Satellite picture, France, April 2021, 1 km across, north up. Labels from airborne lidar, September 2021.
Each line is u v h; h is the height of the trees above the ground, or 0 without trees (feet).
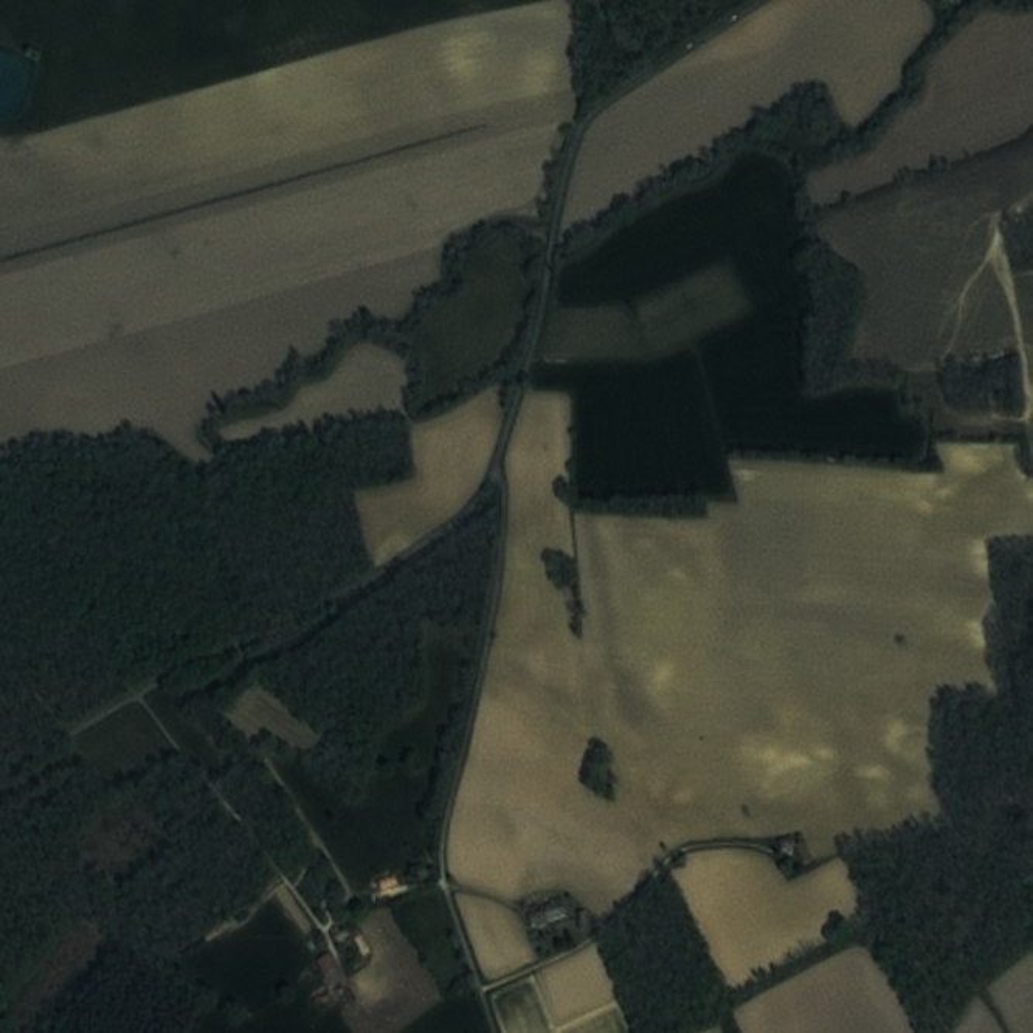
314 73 0
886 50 0
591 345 0
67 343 0
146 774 25
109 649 70
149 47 0
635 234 0
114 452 46
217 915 62
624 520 37
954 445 43
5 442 0
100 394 0
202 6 0
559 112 0
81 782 67
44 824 71
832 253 52
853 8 0
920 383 0
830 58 0
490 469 0
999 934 73
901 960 66
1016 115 0
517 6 0
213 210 0
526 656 0
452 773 51
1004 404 31
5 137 0
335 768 65
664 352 0
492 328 0
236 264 0
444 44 0
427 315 31
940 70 0
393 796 0
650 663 0
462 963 50
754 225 0
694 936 57
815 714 0
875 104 0
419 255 0
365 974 0
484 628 54
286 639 46
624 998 60
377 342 53
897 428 0
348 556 54
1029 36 0
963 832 62
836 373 66
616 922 37
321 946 45
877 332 0
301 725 75
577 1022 0
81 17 0
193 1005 60
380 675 66
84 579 73
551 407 0
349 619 74
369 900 0
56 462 73
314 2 0
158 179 0
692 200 0
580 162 0
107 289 0
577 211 0
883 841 51
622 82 53
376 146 0
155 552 58
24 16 0
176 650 69
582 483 0
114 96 0
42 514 85
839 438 0
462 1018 0
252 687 71
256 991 0
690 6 73
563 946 35
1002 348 0
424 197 0
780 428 0
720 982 56
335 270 0
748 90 0
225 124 0
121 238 0
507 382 31
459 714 45
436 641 0
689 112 0
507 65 0
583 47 65
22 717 68
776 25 0
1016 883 71
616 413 0
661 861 0
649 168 0
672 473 0
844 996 0
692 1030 67
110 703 49
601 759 65
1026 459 55
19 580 75
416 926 0
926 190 0
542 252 33
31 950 84
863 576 0
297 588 64
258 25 0
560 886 0
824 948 41
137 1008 72
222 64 0
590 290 0
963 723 65
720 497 0
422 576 42
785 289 0
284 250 0
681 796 0
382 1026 0
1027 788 58
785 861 25
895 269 0
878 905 64
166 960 63
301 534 72
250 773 71
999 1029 0
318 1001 0
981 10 48
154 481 80
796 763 0
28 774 42
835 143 22
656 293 0
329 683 62
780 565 0
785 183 0
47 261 0
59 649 65
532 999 0
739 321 0
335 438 56
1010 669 50
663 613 0
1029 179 0
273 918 0
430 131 0
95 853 0
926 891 66
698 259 0
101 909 73
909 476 44
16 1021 33
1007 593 70
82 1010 64
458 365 0
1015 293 0
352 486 69
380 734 60
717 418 0
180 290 0
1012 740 79
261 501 73
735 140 38
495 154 0
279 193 0
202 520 63
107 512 54
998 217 0
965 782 57
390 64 0
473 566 50
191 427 0
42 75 0
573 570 66
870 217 0
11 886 69
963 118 0
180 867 67
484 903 0
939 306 0
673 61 0
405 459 68
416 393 45
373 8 0
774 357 0
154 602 71
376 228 0
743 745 0
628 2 80
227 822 67
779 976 43
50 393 0
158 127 0
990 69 0
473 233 24
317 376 21
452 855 0
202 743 0
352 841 0
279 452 78
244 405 39
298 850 79
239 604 54
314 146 0
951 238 0
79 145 0
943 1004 76
